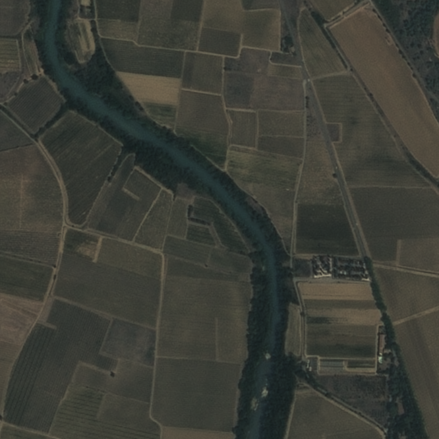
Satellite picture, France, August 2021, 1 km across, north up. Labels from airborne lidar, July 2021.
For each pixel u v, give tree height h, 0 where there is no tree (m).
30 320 0
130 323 0
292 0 0
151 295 0
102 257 0
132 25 0
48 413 0
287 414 18
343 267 14
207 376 0
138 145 13
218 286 0
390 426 8
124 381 0
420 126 0
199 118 0
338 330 0
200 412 0
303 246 0
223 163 0
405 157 0
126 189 0
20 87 0
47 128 11
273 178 0
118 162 6
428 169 0
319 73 0
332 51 0
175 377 0
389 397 8
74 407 0
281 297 20
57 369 0
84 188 0
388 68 0
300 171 0
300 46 0
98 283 0
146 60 0
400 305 0
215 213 0
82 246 0
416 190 0
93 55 8
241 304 0
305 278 0
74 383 0
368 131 0
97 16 0
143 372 0
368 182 0
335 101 0
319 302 0
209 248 0
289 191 0
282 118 0
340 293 0
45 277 0
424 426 19
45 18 14
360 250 0
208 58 0
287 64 0
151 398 0
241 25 0
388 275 0
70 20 0
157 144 0
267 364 0
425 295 0
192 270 0
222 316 0
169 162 6
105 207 0
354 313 0
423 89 0
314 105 0
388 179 0
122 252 0
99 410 0
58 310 0
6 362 0
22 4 0
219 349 0
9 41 0
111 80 7
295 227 0
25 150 0
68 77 0
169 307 0
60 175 0
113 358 0
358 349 0
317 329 0
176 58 0
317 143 0
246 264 0
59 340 0
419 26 11
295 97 0
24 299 0
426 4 7
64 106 17
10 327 0
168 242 0
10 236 0
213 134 0
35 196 0
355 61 0
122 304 0
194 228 0
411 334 0
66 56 9
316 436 0
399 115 0
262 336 17
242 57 0
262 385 0
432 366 0
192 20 0
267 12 0
